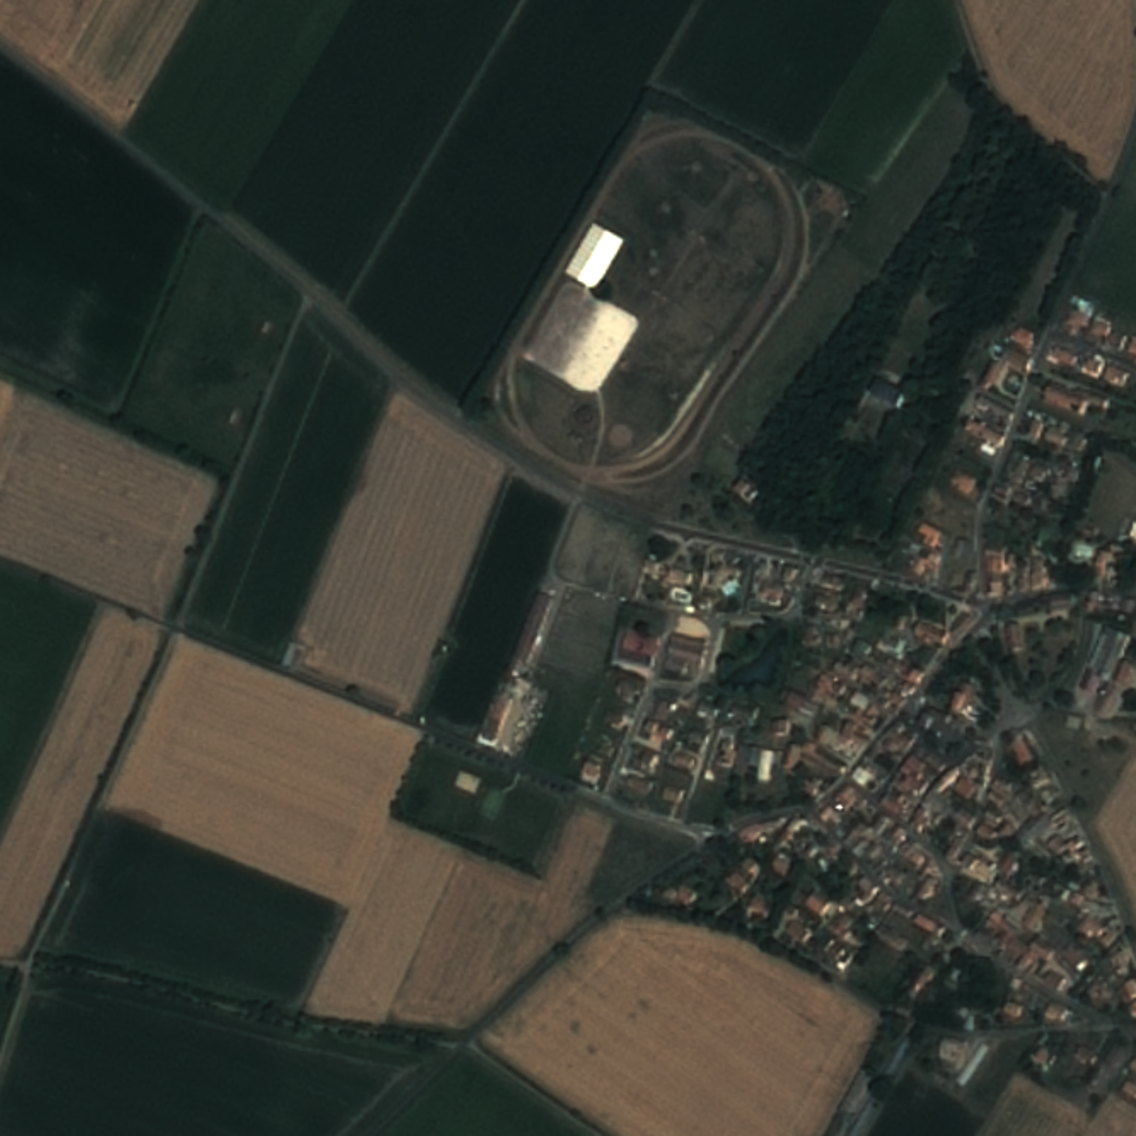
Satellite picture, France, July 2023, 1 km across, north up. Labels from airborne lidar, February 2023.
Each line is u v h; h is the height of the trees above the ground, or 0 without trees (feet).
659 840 0
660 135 0
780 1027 0
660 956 0
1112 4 0
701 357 0
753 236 0
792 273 0
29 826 0
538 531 0
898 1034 23
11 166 0
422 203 0
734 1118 0
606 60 0
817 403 48
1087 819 0
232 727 0
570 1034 0
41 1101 0
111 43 0
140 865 0
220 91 0
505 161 0
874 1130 0
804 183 0
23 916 0
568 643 0
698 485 45
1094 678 0
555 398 0
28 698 0
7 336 0
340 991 0
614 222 0
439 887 0
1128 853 0
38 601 0
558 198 0
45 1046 0
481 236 0
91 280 0
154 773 0
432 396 0
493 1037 0
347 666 0
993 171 40
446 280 0
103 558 0
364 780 0
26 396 0
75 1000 0
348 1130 0
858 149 0
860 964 28
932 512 0
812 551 58
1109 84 0
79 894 0
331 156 0
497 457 0
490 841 0
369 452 0
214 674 0
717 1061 0
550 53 0
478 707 0
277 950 0
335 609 0
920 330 0
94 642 0
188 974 0
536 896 0
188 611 0
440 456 0
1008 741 32
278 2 0
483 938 0
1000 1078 0
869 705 0
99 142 0
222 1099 0
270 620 0
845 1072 0
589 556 0
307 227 0
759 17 0
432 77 0
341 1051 0
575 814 0
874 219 0
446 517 0
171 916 0
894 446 40
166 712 0
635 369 0
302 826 0
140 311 0
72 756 0
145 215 0
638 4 0
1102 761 0
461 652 0
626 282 0
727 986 0
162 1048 0
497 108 0
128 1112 0
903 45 0
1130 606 0
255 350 0
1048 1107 0
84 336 0
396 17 0
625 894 0
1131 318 0
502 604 0
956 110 0
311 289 0
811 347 0
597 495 0
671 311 0
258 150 0
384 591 0
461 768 0
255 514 0
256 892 0
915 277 47
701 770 0
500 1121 0
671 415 0
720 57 0
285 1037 0
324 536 0
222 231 0
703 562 19
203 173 0
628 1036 0
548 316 0
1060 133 0
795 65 0
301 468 0
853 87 0
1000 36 0
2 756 0
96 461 0
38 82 0
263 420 0
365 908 0
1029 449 37
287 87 0
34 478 0
